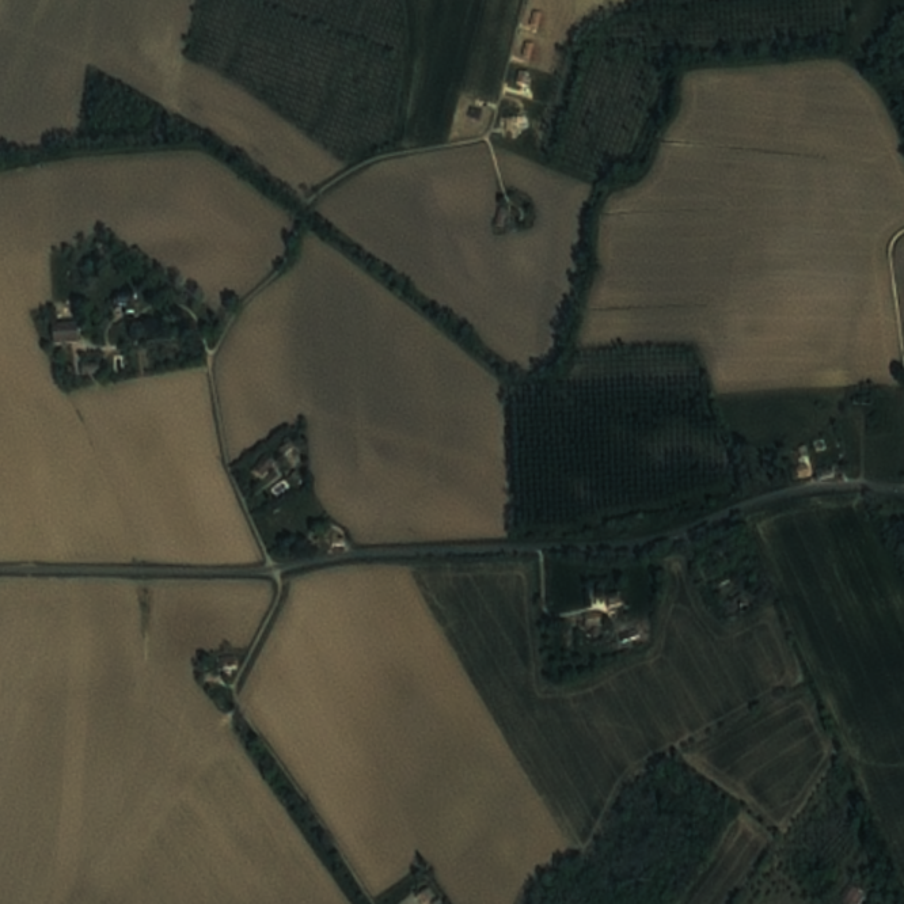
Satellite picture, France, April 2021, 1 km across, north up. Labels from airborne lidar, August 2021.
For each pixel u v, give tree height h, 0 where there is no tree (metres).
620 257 0
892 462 0
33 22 0
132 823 0
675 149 0
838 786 11
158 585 0
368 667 0
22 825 0
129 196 0
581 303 12
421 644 0
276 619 0
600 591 9
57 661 0
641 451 24
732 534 23
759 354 0
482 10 0
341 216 0
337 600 0
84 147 22
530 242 0
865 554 0
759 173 0
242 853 0
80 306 19
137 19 0
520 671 0
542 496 23
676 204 0
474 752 0
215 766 0
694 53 17
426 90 0
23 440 0
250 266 0
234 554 0
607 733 0
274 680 0
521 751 0
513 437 21
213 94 0
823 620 0
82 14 0
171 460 0
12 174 0
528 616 0
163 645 0
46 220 0
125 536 0
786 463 9
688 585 0
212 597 0
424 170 0
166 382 0
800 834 8
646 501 27
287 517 0
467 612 0
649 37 20
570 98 16
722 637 0
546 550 6
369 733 0
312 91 20
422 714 0
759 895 11
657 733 0
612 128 22
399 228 0
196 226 0
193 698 0
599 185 8
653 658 0
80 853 0
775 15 21
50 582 0
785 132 0
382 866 0
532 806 0
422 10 0
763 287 0
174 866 0
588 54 17
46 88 0
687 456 25
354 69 19
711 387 18
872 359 0
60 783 0
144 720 0
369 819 0
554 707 0
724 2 18
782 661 0
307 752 0
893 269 0
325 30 14
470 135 0
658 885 20
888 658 0
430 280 0
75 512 0
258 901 0
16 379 0
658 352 20
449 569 0
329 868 0
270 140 0
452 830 0
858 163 0
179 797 0
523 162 0
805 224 0
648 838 18
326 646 0
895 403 0
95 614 0
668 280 0
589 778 0
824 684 0
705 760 0
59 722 0
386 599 0
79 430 0
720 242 0
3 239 0
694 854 19
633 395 23
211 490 0
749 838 0
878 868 20
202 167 0
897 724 0
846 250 0
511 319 0
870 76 25
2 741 0
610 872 20
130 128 16
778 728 0
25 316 0
